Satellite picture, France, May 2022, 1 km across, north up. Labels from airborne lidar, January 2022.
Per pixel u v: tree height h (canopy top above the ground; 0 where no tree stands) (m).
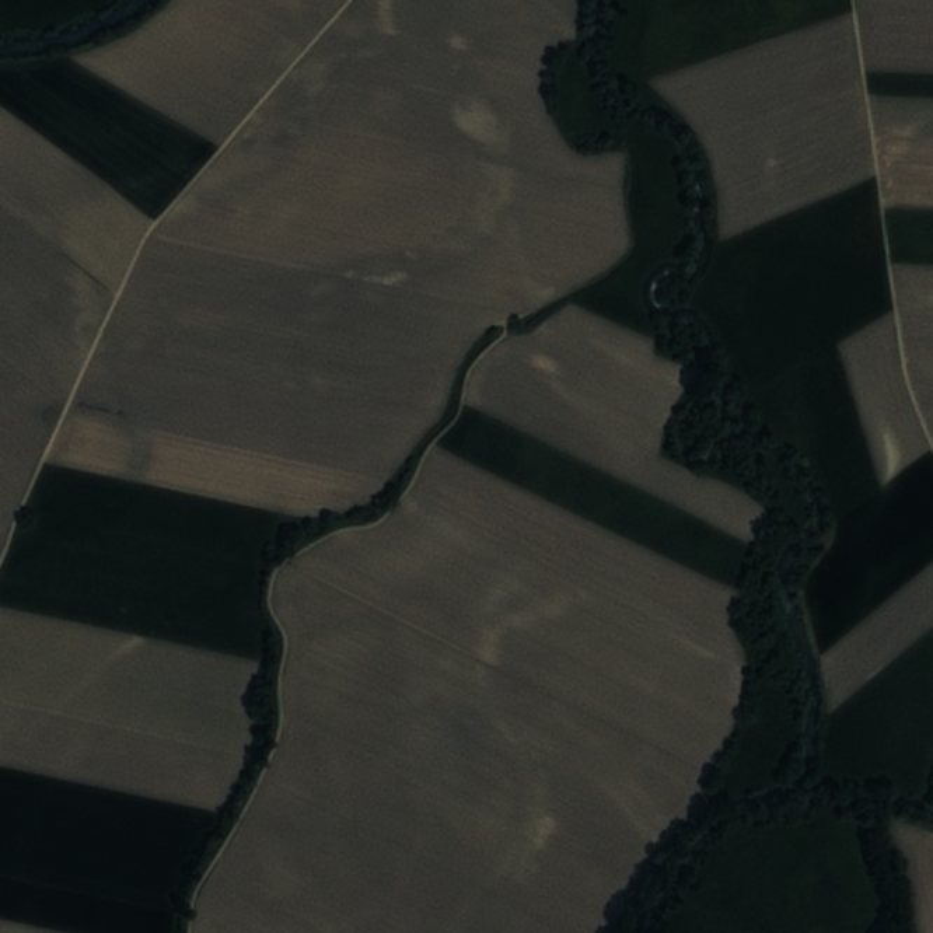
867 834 18
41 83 0
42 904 0
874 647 0
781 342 0
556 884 0
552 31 0
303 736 0
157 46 0
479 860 0
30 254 0
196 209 0
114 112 0
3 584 0
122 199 0
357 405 0
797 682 11
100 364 0
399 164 0
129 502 0
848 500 0
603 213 0
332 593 0
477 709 0
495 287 0
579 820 0
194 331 0
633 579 0
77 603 0
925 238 0
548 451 0
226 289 0
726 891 0
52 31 12
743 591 8
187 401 0
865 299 0
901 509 0
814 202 0
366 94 0
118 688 0
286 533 19
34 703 0
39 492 0
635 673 0
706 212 13
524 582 0
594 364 0
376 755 0
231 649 0
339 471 0
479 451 0
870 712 0
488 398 0
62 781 0
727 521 0
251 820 0
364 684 0
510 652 0
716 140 0
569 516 0
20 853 0
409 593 0
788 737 0
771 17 0
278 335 0
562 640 0
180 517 0
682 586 0
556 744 0
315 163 0
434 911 0
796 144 0
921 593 0
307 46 0
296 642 0
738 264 0
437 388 0
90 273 0
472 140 0
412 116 0
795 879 0
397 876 0
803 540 0
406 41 0
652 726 0
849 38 0
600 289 0
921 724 0
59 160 0
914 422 0
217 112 0
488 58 0
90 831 0
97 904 0
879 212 0
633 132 0
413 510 0
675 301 11
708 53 0
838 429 0
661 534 0
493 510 0
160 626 0
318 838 0
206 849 12
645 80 0
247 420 0
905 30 0
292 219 0
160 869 0
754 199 0
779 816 17
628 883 0
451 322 0
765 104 0
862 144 0
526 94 0
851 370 0
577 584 0
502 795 0
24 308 0
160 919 0
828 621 0
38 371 0
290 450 0
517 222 0
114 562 0
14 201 0
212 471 0
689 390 25
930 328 0
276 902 0
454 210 0
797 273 0
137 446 0
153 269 0
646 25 0
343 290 0
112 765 0
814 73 0
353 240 0
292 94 0
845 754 0
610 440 0
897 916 27
